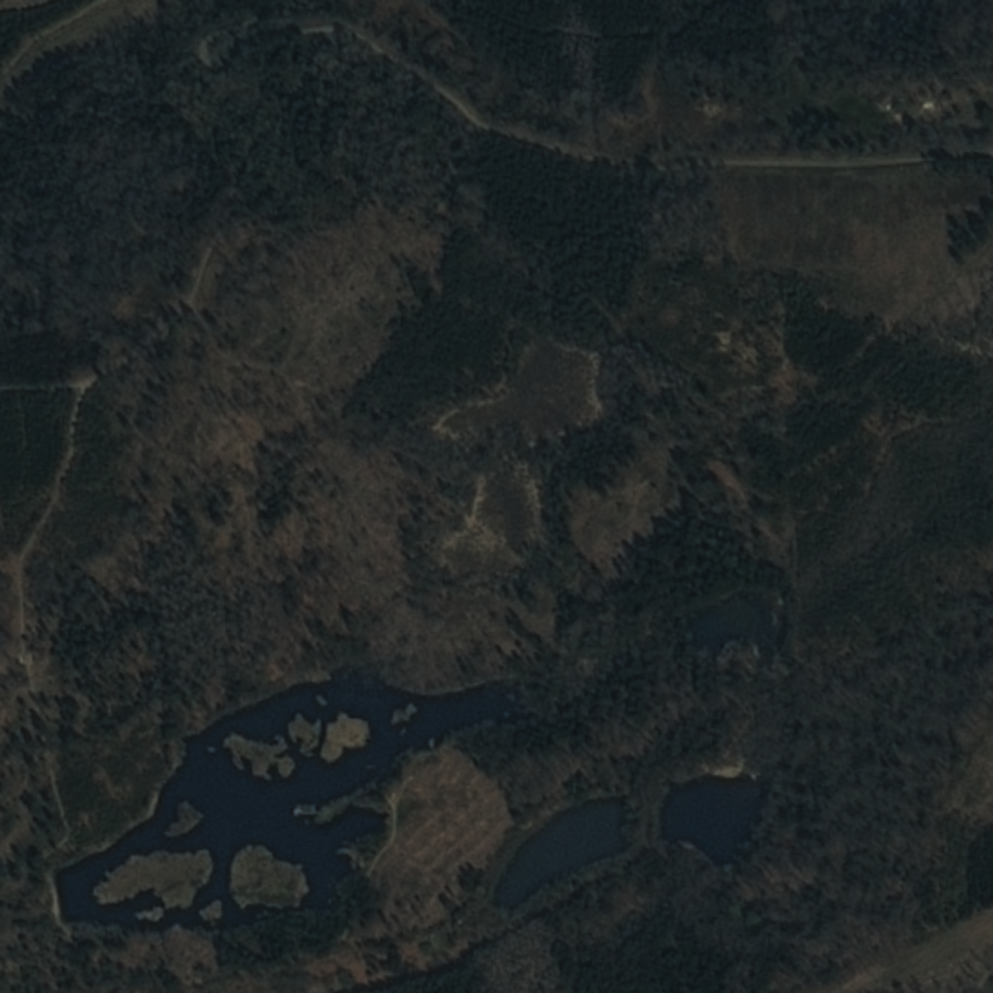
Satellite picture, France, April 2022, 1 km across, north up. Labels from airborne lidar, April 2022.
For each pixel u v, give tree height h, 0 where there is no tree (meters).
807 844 25
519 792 19
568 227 15
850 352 9
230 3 13
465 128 15
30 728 0
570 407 0
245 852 0
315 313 0
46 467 9
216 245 21
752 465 21
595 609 19
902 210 0
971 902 7
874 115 0
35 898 16
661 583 35
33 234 19
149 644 15
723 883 25
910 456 6
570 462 8
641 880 18
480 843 0
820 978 16
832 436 12
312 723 0
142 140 26
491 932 10
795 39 10
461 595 13
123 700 16
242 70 18
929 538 10
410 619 0
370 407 16
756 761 11
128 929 10
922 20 19
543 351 0
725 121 0
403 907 0
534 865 0
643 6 18
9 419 8
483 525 0
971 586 8
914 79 18
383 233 12
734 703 21
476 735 21
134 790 6
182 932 0
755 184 0
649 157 9
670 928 19
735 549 21
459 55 7
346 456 0
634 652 18
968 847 10
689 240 23
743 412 11
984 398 8
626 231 16
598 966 15
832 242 0
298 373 0
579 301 22
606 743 19
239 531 13
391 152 18
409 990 24
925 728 23
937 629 18
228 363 0
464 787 0
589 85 14
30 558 7
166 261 26
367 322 0
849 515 8
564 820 0
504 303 11
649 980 17
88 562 23
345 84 17
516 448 13
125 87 20
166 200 23
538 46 19
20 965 17
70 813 7
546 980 18
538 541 7
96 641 13
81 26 0
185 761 0
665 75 18
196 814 0
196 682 19
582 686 15
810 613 7
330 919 21
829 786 29
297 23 12
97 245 26
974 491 9
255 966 19
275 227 14
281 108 10
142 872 0
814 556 8
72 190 19
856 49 19
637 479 0
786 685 16
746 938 24
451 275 12
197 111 13
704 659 25
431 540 11
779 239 0
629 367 27
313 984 11
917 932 7
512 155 10
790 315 6
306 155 24
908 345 10
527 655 26
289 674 21
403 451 20
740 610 0
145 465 7
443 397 13
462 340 10
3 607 16
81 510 6
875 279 0
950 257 0
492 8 19
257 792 0
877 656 22
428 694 10
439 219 19
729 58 12
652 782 17
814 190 0
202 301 0
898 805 26
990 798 0
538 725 22
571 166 14
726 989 15
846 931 23
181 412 11
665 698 10
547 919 19
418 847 0
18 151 23
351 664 13
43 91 23
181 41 12
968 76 18
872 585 8
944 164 26
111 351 26
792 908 6
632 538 0
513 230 12
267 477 20
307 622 28
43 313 10
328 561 26
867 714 22
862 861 26
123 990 14
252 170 19
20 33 13
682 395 27
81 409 6
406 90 16
